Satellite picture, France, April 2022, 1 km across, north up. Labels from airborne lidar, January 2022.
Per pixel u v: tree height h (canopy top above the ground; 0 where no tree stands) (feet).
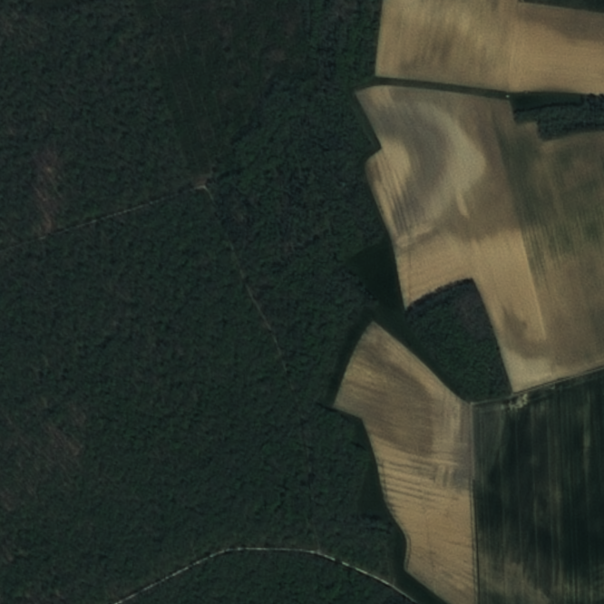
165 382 83
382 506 0
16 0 77
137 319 70
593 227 0
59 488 80
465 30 0
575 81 0
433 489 0
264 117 77
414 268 0
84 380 76
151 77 67
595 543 0
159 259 65
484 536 0
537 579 0
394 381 0
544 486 0
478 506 0
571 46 0
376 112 0
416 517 0
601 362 0
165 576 55
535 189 0
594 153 0
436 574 0
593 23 0
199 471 68
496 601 0
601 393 0
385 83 0
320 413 68
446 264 0
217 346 74
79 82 76
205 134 21
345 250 64
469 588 0
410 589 0
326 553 61
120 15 77
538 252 0
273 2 31
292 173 64
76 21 80
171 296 68
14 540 85
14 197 81
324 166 92
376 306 52
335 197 68
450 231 0
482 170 0
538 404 0
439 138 0
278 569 70
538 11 0
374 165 0
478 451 0
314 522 76
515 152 0
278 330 70
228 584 76
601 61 0
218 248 83
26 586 84
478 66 0
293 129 76
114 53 69
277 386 69
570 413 0
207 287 74
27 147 81
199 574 69
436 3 0
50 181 100
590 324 0
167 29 75
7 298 79
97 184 86
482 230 0
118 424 70
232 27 28
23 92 72
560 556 0
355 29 72
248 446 70
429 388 0
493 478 0
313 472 75
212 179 0
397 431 0
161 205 56
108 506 71
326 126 62
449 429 0
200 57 78
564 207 0
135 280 68
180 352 75
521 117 34
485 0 0
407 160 0
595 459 0
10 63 77
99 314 67
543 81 0
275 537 75
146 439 67
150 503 64
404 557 0
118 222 65
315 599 80
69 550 72
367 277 0
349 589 75
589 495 0
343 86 57
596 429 0
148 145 81
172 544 79
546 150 0
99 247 64
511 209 0
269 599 67
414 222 0
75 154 92
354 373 0
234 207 84
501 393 62
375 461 0
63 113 78
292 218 60
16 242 72
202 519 70
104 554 64
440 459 0
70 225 70
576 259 0
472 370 64
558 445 0
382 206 0
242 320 80
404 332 0
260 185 56
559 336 0
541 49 0
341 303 79
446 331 76
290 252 78
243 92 91
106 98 77
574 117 45
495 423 0
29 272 77
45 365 82
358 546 74
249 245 85
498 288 0
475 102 0
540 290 0
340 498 76
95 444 84
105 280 74
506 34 0
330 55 72
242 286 69
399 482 0
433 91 0
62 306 63
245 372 65
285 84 72
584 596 0
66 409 82
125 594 65
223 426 72
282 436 79
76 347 73
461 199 0
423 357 0
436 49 0
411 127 0
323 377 73
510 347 0
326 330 70
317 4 83
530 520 0
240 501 81
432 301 58
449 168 0
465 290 60
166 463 63
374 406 0
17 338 67
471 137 0
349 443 64
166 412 66
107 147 77
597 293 0
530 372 0
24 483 76
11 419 77
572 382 0
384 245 0
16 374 74
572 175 0
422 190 0
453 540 0
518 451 0
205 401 75
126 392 78
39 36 78
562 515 0
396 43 0
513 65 0
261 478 78
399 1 0
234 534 75
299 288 78
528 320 0
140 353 81
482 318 87
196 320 79
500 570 0
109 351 71
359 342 0
